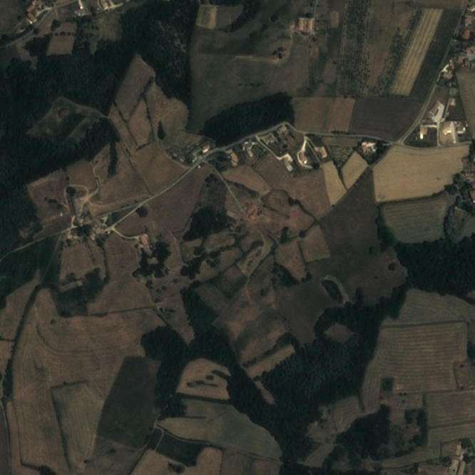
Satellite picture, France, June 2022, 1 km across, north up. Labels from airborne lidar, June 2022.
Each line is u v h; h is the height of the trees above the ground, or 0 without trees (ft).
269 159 0
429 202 0
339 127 0
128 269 0
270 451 0
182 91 21
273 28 0
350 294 0
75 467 0
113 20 0
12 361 28
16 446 0
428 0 0
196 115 0
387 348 0
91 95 32
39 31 29
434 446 0
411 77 0
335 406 0
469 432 0
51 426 0
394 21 0
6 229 52
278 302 0
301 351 32
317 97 0
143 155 0
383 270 0
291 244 0
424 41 0
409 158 0
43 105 38
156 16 19
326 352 43
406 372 0
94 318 0
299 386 42
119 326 0
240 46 0
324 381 58
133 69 0
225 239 0
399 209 0
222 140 29
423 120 0
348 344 36
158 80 32
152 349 23
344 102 0
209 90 0
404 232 0
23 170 23
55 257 0
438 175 0
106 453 0
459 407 0
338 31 0
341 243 0
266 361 0
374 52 0
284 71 0
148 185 0
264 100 34
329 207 0
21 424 0
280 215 0
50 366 0
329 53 0
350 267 0
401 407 0
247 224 0
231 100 0
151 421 0
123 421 0
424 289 37
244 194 0
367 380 0
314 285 0
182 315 0
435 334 0
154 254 24
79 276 0
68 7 0
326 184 0
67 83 53
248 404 33
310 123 0
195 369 0
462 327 0
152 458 0
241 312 0
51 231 0
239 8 0
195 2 22
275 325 0
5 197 52
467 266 61
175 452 0
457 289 40
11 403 0
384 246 40
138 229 0
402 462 0
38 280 0
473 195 0
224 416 0
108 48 39
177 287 0
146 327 0
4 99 48
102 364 0
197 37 0
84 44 20
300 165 0
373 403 0
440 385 0
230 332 0
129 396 0
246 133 37
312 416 29
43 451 0
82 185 0
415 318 0
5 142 26
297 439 30
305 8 0
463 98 0
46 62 27
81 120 28
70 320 0
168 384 30
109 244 0
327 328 32
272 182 0
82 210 0
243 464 0
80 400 0
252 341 0
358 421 26
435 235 0
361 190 0
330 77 0
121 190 0
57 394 0
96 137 29
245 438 0
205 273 0
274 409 19
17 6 0
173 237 0
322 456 0
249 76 0
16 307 0
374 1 0
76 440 0
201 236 18
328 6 0
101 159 0
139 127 0
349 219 0
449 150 0
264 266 0
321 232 0
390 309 24
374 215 0
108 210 0
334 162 24
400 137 0
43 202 0
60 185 0
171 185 0
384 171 0
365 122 0
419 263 73
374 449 41
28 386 0
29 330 0
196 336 22
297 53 0
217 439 0
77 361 0
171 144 0
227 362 35
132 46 31
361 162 0
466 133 0
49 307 0
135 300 0
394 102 0
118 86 40
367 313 48
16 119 42
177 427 0
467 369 0
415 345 0
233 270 0
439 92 0
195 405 0
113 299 0
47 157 31
